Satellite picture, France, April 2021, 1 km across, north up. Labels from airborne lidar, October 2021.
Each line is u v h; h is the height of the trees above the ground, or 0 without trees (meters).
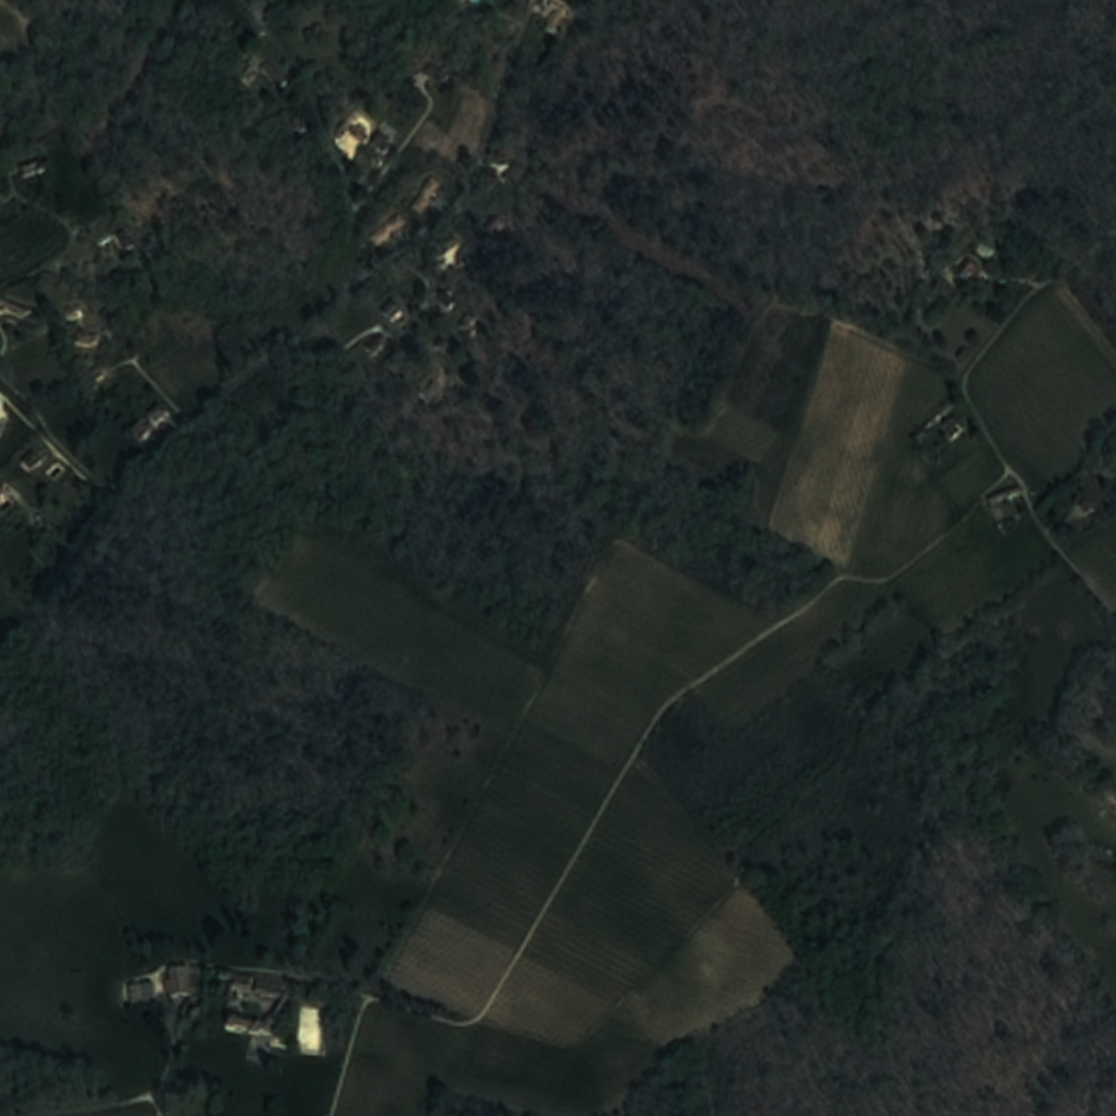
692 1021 0
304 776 20
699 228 13
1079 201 20
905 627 0
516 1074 0
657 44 18
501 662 0
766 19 14
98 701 21
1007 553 0
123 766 23
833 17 17
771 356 0
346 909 10
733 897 0
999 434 0
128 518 23
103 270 7
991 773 24
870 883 11
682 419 21
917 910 20
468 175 20
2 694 24
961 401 14
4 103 17
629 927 0
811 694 11
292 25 11
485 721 0
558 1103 0
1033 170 20
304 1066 0
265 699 19
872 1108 19
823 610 0
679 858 0
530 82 26
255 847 22
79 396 20
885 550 0
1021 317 0
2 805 26
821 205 20
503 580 20
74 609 24
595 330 12
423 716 22
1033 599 0
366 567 0
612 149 9
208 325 16
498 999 0
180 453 22
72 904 0
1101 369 0
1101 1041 17
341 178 29
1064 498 10
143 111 22
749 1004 0
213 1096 14
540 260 14
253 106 10
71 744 24
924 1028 19
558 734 0
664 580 0
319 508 22
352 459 23
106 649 20
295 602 0
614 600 0
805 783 12
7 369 23
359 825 22
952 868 19
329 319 23
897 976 22
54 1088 20
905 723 23
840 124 21
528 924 0
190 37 20
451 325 18
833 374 0
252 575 19
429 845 0
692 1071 22
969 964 22
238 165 15
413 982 0
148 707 23
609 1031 0
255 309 23
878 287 7
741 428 0
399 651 0
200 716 20
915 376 0
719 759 12
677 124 10
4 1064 18
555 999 0
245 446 22
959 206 10
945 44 19
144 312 28
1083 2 14
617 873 0
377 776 18
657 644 0
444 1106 26
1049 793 0
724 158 14
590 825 0
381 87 20
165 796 28
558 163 13
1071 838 21
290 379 26
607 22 17
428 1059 0
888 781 14
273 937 0
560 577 18
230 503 24
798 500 0
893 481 0
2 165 19
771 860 10
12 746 21
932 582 0
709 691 0
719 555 20
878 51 17
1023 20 16
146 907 0
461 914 0
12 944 0
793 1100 15
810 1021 21
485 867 0
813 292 11
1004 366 0
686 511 26
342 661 16
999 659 18
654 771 7
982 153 18
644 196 22
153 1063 0
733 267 16
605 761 0
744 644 0
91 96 23
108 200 13
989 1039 18
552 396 18
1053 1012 16
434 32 22
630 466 19
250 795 23
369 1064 0
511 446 18
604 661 0
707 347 19
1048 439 0
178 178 22
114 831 0
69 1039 0
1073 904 0
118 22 16
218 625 21
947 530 0
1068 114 22
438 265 12
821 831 9
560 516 23
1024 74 17
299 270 23
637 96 17
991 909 27
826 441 0
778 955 0
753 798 14
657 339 23
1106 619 15
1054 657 0
